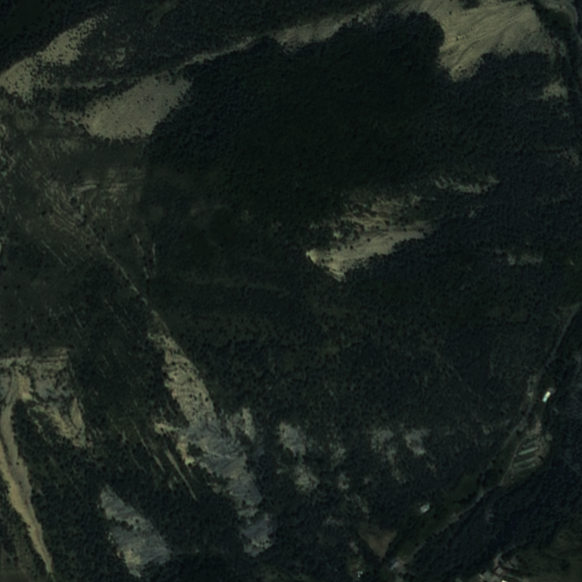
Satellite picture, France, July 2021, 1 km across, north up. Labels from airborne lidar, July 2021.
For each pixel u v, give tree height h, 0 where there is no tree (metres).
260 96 14
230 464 0
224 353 13
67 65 6
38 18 5
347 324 7
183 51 12
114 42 7
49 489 9
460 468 19
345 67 18
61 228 0
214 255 8
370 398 19
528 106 14
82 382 16
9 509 8
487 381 9
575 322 12
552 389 0
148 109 0
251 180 18
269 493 9
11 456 0
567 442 12
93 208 0
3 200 0
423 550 11
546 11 13
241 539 10
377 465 10
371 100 16
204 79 13
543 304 12
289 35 0
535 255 7
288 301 7
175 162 11
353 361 8
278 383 12
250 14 12
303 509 15
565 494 15
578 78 14
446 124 10
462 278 12
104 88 8
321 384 8
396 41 18
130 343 6
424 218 7
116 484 19
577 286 6
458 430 7
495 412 9
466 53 0
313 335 12
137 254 0
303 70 18
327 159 17
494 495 14
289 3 10
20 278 0
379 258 9
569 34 8
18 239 10
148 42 8
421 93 17
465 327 13
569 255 6
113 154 0
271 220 12
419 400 15
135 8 7
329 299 6
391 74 20
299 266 6
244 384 15
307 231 12
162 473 13
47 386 0
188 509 21
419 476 11
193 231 6
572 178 14
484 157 10
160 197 7
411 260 13
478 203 8
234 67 20
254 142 16
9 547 11
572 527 7
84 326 9
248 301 7
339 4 13
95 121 0
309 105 16
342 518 13
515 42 0
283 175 15
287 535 16
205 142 12
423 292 15
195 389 0
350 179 14
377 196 7
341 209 9
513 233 14
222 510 11
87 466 11
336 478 12
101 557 12
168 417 8
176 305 6
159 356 15
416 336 9
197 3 8
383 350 14
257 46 10
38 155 0
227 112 15
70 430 0
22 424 8
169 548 6
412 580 14
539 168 17
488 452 12
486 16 0
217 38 9
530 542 8
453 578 6
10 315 0
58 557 10
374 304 10
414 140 15
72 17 11
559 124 15
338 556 12
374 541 0
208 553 18
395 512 11
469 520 13
